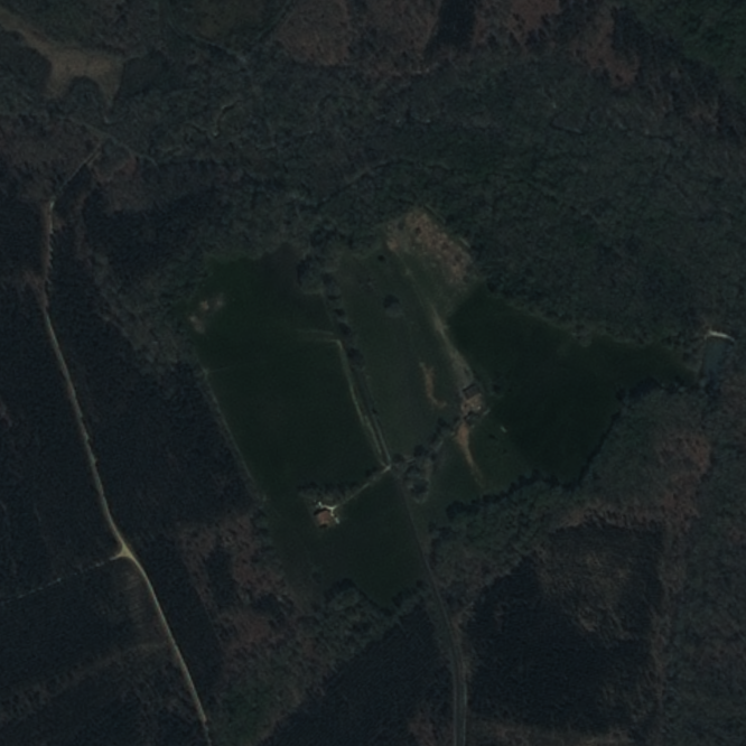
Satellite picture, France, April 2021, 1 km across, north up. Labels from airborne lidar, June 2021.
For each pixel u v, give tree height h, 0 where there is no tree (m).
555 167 25
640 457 18
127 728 15
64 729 8
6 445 15
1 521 13
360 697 13
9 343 17
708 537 21
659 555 7
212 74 18
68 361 13
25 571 15
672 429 15
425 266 0
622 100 20
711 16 16
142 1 16
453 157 17
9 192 7
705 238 21
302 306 0
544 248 19
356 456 0
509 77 15
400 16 9
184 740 15
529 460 0
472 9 8
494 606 11
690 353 9
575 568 7
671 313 18
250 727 14
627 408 20
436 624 8
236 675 11
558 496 18
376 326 0
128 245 16
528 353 0
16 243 18
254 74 17
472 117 20
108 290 17
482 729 7
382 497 0
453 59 9
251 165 7
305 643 7
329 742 14
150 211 9
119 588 0
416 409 0
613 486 18
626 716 9
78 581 14
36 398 18
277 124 20
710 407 15
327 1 9
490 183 15
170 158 9
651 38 23
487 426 0
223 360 0
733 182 20
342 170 11
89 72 0
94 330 20
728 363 15
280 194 24
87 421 10
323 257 17
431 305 0
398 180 15
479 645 9
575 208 13
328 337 0
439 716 11
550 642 11
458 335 0
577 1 14
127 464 14
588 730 10
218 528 14
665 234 20
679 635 19
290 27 9
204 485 15
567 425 0
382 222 15
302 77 19
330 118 15
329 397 0
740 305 15
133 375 19
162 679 13
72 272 18
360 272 0
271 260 0
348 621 18
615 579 6
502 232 19
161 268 16
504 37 16
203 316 0
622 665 7
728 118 19
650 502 12
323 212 19
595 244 17
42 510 12
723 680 19
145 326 19
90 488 16
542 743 0
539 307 22
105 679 7
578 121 15
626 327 19
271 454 0
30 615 15
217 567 16
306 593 0
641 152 19
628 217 20
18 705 13
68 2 16
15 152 9
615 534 7
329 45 9
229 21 0
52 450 17
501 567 12
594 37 13
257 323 0
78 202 16
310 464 0
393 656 15
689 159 22
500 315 0
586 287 15
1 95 19
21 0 16
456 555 17
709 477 9
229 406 0
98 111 18
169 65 8
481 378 0
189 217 15
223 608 6
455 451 0
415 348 0
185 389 17
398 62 0
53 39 16
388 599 0
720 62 19
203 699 15
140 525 13
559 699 10
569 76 17
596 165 28
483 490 0
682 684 19
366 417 0
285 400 0
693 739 17
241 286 0
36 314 16
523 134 26
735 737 15
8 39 8
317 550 0
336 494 17
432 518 0
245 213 22
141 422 13
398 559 0
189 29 10
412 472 12
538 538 12
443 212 11
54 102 8
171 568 15
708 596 13
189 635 15
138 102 16
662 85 11
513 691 10
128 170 6
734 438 22
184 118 11
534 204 14
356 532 0
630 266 17
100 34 13
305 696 13
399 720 16
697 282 20
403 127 12
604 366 0
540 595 12
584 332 17
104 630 14
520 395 0
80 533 15
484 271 16
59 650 15
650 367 0
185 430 18
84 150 6
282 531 0
